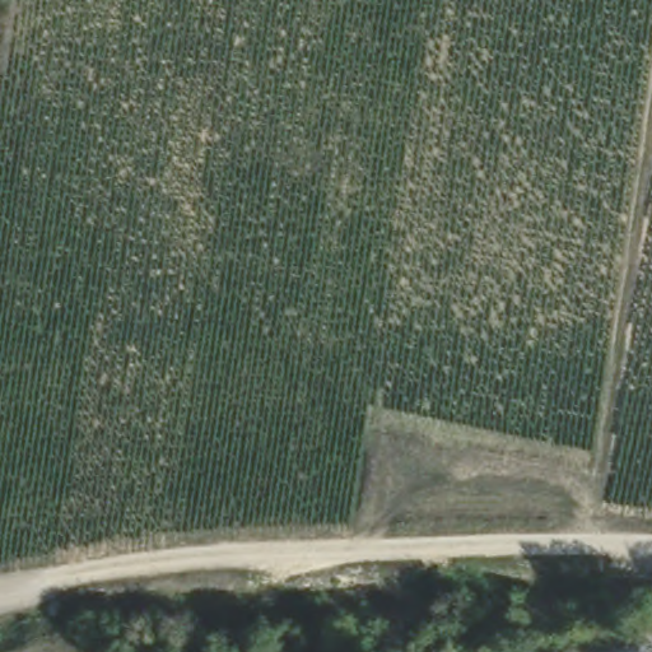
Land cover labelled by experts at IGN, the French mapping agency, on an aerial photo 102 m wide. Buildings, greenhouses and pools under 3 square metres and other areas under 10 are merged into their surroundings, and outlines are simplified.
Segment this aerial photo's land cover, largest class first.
<instances>
[{"label":"vineyard","instance_id":"1","mask_svg":"<svg viewBox=\"0 0 652 652\"><path fill-rule=\"evenodd\" d=\"M0 13L5 15V28H13L8 69L0 74V576L13 571H41L51 565L99 560L127 553L171 550L211 542L390 537V522L385 517H377V509L364 502L369 479V453L362 446V436L369 405L413 413L420 418H436L456 425L484 428L504 436L553 441L555 446L583 448L588 453V469H599V474L606 479L604 502L652 509V0H0Z\"/></svg>","mask_w":652,"mask_h":652},{"label":"herbaceous vegetation","instance_id":"2","mask_svg":"<svg viewBox=\"0 0 652 652\"><path fill-rule=\"evenodd\" d=\"M13 28H5V15L0 13V74L8 69ZM362 446L369 453V479L364 502L377 509V517H385L390 522V537L563 530L652 535V509L604 502L606 479L599 474V469H588V453L583 448L555 446L553 441L504 436L484 428L456 425L436 418H420L413 413L369 405L362 436ZM476 576V581L484 586V593L489 596L502 593L504 588L509 593H525V611L530 614V624L535 632L563 634L573 629L578 621L583 627L604 629L619 627L627 614H632V591L647 588L652 593V553L642 555L637 548H632L627 558H611L606 553L586 550L583 545H571L565 553H548L542 548L540 553L520 555H466L451 558L448 563L354 560L290 576L283 586L267 571L191 568L135 578L92 581L69 588H51L41 596L36 606L0 614V652H74L56 634V629L69 614L76 616L82 611H89L94 604L163 606L168 599H173V609L199 614L206 611L216 621L242 619L255 611H301L306 619L331 614L334 619H341L351 614L359 624H369L374 619H382L392 609L420 604L436 588L443 586L446 578H453L456 586H469V581Z\"/></svg>","mask_w":652,"mask_h":652},{"label":"deciduous trees","instance_id":"3","mask_svg":"<svg viewBox=\"0 0 652 652\"><path fill-rule=\"evenodd\" d=\"M173 599H168L163 606L94 604L89 611H82L76 616L69 614L56 629V634L74 652H581V644L591 639L637 642L639 652H652V593L647 588L632 591V614H627L619 627L604 629L583 627L578 621L573 629L563 634L535 632L530 624V614L525 611V593H509L504 588L502 593L489 596L484 593V586L476 581V576L469 581V586H456L453 578H446L443 586L436 588L420 604L392 609L382 619H374L369 624H359L351 614L341 619H334L331 614L306 619L301 611H255L242 619L216 621L206 611L199 614L173 609Z\"/></svg>","mask_w":652,"mask_h":652},{"label":"pervious surface","instance_id":"4","mask_svg":"<svg viewBox=\"0 0 652 652\"><path fill-rule=\"evenodd\" d=\"M571 545H583L586 550L606 553L611 558H627L632 548H637L642 555L652 553V535L563 530L390 537L211 542L171 550L127 553L99 560L51 565L41 571H13L0 576V614L36 606L41 596L51 588H69L92 581L135 578L191 568L267 571L283 586L290 576L354 560L448 563L451 558L466 555H520L540 553L542 548L548 553H565ZM581 652H639L637 642L591 639L581 644Z\"/></svg>","mask_w":652,"mask_h":652}]
</instances>
